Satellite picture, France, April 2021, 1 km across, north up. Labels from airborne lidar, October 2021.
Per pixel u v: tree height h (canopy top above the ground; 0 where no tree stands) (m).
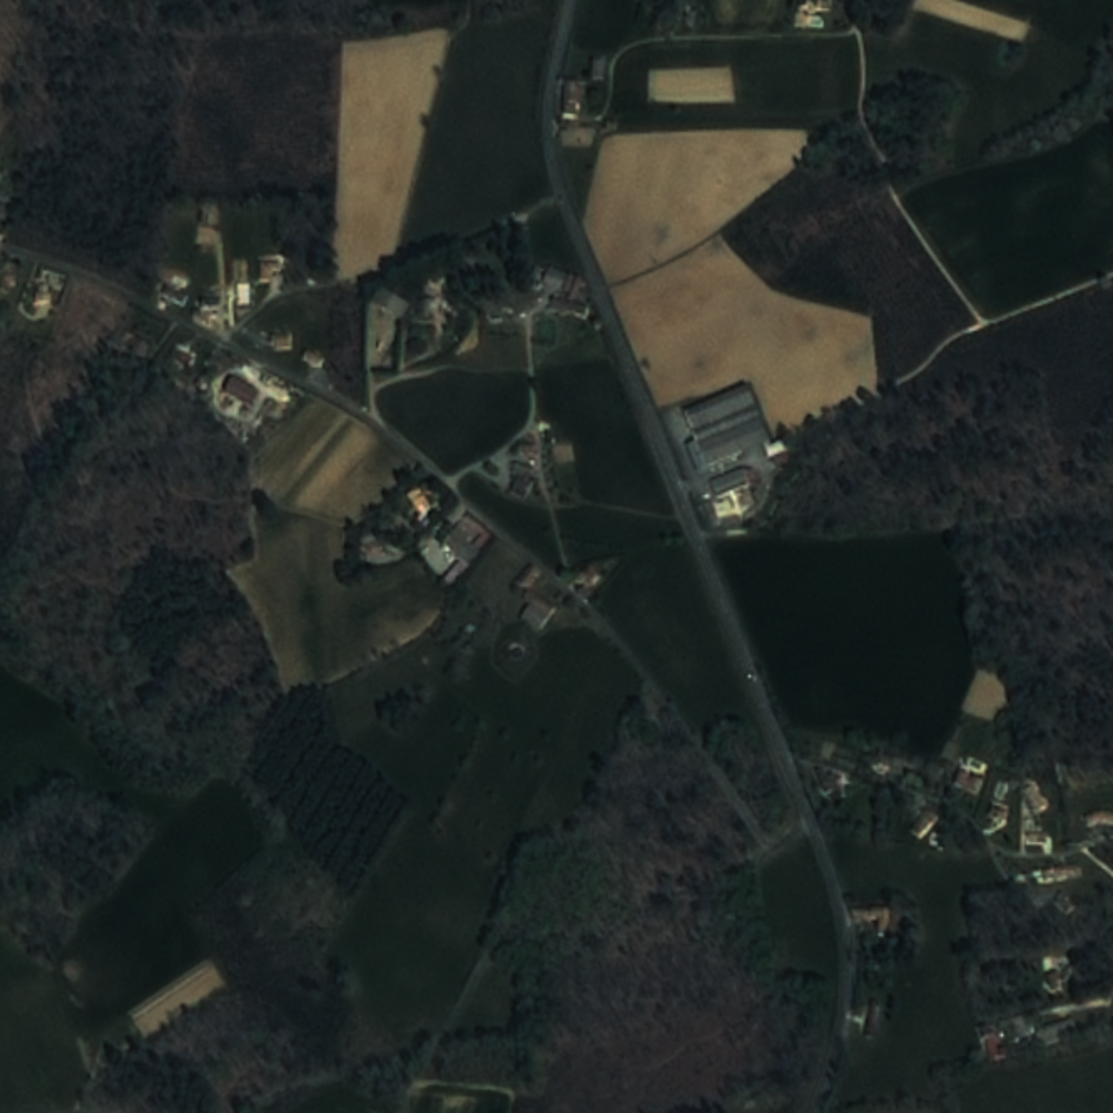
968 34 0
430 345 0
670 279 0
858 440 25
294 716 16
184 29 15
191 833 0
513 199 0
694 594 0
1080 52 0
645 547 0
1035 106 0
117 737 23
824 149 18
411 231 0
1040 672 15
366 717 0
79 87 12
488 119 0
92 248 14
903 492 27
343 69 0
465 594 9
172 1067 14
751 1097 16
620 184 0
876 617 0
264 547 0
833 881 0
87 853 28
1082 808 0
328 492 0
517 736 0
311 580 0
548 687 0
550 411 0
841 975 0
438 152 0
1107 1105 0
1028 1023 12
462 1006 0
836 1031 0
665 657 0
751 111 0
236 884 6
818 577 0
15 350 7
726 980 11
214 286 0
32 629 16
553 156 0
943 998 0
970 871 0
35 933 14
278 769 19
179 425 19
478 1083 21
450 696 0
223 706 15
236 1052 22
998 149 17
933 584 0
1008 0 0
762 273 0
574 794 0
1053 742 19
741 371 0
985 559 23
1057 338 5
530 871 18
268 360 0
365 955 0
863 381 0
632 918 16
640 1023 13
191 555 10
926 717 0
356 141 0
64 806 24
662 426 0
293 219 14
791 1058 19
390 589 0
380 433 0
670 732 16
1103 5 0
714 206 0
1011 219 0
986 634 13
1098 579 20
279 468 0
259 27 9
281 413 0
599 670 0
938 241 0
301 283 14
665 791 16
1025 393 26
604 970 12
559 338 0
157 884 0
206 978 0
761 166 0
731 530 0
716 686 0
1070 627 16
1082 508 13
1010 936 17
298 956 7
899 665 0
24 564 18
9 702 0
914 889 0
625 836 18
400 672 0
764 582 0
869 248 6
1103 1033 17
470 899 0
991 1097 0
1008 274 0
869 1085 0
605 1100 0
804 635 0
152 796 19
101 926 0
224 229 0
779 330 0
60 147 13
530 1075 29
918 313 6
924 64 0
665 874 12
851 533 17
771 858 0
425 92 0
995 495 10
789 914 0
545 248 0
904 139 10
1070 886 0
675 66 0
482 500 0
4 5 20
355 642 0
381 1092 21
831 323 0
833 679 0
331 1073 8
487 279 17
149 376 13
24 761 0
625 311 0
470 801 0
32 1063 0
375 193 0
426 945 0
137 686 8
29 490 13
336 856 15
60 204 16
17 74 13
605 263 0
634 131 0
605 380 0
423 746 0
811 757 7
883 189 27
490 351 0
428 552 0
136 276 13
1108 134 0
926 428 7
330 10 15
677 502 0
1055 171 0
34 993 0
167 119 21
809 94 0
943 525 20
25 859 17
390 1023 0
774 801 19
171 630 16
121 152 15
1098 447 11
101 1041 0
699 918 21
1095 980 23
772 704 12
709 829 15
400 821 17
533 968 24
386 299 0
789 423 0
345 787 15
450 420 0
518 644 0
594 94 9
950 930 0
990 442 10
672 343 0
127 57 10
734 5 0
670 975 14
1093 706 22
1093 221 0
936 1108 8
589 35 0
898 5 28
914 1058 0
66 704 10
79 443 20
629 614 0
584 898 19
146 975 0
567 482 0
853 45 0
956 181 0
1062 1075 0
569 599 7
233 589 14
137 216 16
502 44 0
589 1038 16
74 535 9
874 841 12
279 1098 10
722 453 0
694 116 0
